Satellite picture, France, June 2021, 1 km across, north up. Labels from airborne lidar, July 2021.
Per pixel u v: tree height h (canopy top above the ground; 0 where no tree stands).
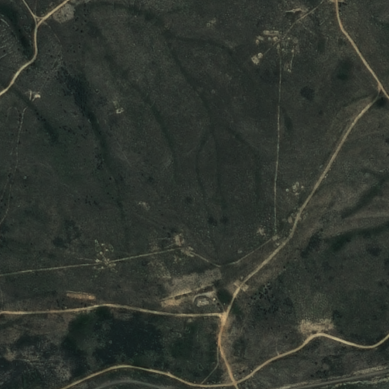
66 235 0
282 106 0
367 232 0
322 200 0
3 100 0
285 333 0
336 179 0
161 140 0
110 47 0
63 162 0
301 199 0
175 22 0
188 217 0
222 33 0
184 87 0
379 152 0
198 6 0
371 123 0
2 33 0
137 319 0
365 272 0
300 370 0
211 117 0
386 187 0
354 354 0
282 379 0
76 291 0
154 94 0
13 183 0
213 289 0
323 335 0
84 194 0
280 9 0
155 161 0
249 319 0
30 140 0
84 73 0
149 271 0
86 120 0
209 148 0
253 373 0
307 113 0
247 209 0
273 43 0
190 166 0
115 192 0
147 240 0
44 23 0
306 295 0
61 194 0
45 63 0
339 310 0
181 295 0
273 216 0
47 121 10
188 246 0
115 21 0
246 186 0
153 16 0
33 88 0
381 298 0
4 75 0
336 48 0
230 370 0
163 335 0
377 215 0
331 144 0
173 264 0
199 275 0
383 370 0
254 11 0
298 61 0
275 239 0
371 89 0
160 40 0
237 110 0
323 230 0
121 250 0
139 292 0
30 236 0
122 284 0
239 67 0
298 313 0
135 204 0
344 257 0
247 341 0
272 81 0
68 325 0
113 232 0
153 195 0
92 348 0
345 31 0
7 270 0
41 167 0
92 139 0
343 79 0
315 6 0
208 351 0
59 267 0
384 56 0
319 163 0
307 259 0
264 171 0
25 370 0
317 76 0
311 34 0
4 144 0
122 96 0
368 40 0
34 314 0
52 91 0
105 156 0
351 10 0
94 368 0
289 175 0
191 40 0
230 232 0
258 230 0
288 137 0
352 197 0
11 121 0
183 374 0
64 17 0
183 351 0
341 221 0
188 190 0
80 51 0
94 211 0
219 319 0
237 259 0
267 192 0
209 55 0
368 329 0
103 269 0
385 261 0
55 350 0
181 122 0
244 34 0
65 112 5
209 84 0
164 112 0
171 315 0
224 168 0
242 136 0
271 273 0
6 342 0
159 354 0
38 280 0
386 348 0
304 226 0
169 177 0
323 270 0
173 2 0
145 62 0
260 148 0
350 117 0
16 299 0
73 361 0
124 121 0
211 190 0
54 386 0
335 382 0
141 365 0
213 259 0
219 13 0
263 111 0
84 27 0
